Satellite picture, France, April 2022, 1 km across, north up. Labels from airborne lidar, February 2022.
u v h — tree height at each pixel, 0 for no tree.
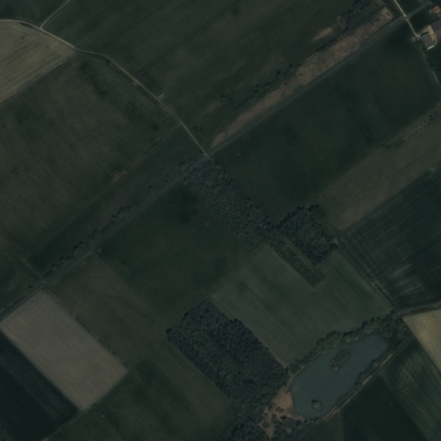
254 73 0
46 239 0
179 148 0
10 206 0
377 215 0
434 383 0
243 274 0
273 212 0
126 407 0
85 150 0
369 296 0
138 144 0
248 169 0
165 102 0
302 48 0
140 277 0
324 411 0
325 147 0
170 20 0
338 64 0
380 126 0
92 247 0
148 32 0
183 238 0
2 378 0
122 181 0
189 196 0
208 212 0
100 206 0
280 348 0
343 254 0
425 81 0
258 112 0
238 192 18
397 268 0
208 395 0
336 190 0
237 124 0
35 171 0
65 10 0
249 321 0
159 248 0
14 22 0
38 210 0
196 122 0
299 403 0
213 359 14
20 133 0
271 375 9
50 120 0
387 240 0
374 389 0
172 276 0
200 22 0
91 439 0
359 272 0
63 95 0
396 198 0
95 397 0
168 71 0
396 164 0
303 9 0
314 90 0
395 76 0
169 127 0
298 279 0
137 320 0
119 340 0
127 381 0
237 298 0
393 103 0
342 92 0
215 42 0
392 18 0
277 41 0
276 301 0
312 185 0
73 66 0
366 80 0
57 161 0
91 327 0
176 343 11
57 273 0
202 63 0
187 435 0
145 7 0
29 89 0
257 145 0
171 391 0
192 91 0
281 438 17
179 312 0
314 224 18
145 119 0
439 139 0
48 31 0
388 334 18
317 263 10
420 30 0
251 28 0
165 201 0
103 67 0
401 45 0
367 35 0
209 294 0
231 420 0
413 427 0
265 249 0
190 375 0
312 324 0
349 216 0
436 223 0
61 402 0
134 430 0
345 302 0
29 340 0
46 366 0
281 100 0
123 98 0
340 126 0
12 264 0
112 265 0
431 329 0
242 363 18
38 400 0
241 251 0
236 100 0
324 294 0
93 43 0
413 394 0
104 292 0
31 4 0
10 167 0
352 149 0
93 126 0
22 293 0
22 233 0
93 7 0
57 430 0
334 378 0
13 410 0
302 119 0
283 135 0
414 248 0
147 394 0
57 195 0
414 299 0
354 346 0
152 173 0
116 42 0
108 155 0
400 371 0
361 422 0
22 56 0
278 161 0
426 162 0
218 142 0
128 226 0
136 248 0
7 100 0
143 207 0
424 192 0
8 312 0
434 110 0
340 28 0
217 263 0
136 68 0
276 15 0
